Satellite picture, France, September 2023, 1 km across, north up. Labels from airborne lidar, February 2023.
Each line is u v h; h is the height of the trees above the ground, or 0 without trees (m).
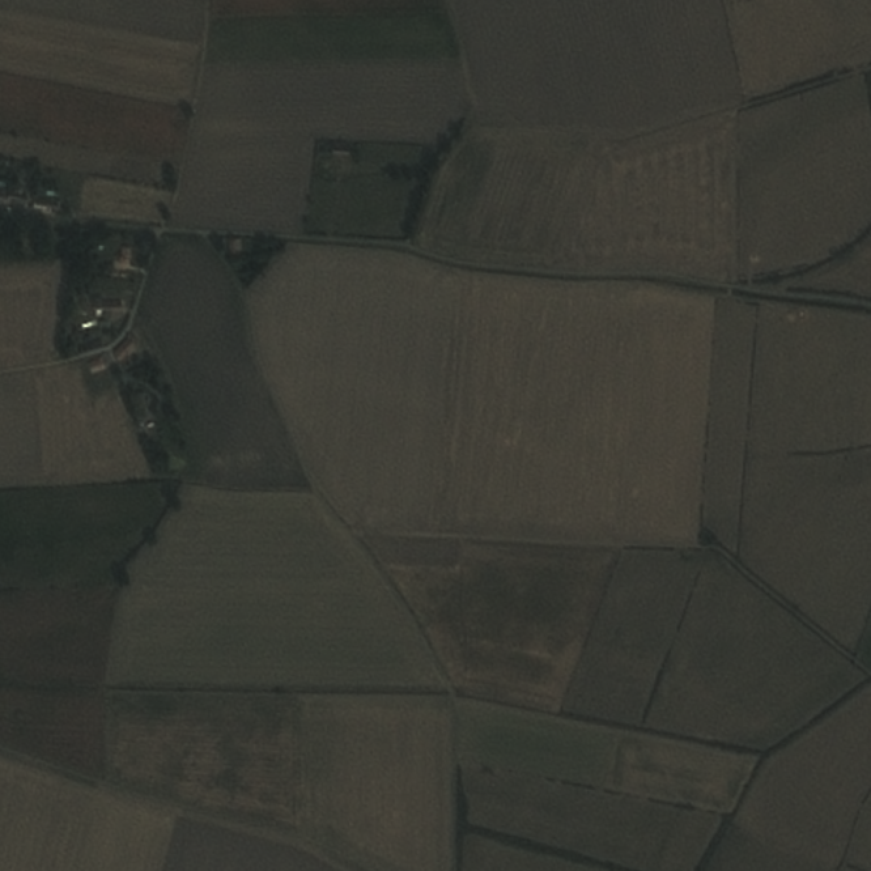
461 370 0
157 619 0
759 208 0
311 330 0
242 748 0
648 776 0
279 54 0
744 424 0
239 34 0
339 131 0
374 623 0
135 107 0
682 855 0
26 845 0
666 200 0
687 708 0
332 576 0
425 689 0
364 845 0
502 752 0
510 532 0
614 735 0
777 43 0
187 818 0
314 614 0
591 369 0
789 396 0
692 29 0
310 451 0
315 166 0
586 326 0
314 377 0
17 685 0
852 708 0
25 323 0
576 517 0
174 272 0
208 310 0
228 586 0
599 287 0
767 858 0
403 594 0
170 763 0
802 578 0
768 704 0
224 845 0
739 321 0
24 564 0
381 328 0
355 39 0
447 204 0
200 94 0
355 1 0
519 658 0
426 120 0
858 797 0
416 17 0
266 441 0
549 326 0
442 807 0
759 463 0
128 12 0
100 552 0
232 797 0
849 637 0
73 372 0
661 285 0
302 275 0
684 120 0
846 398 0
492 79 0
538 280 0
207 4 0
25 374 0
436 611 0
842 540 0
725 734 0
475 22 0
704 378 0
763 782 0
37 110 0
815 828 0
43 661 0
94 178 0
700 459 0
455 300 0
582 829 0
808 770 0
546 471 0
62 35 0
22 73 0
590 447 0
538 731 0
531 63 0
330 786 0
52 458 0
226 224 0
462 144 0
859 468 0
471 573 0
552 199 0
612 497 0
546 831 0
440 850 0
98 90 0
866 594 0
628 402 0
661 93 0
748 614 0
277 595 0
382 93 0
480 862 0
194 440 0
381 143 0
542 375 0
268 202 0
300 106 0
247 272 8
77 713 0
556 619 0
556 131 0
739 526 0
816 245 0
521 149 0
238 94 0
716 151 0
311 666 0
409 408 0
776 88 0
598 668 0
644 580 0
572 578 0
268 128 0
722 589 0
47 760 0
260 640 0
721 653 0
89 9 0
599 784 0
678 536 0
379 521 0
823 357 0
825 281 0
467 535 0
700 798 0
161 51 0
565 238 0
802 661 0
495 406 0
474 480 0
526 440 0
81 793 0
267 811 0
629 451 0
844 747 0
